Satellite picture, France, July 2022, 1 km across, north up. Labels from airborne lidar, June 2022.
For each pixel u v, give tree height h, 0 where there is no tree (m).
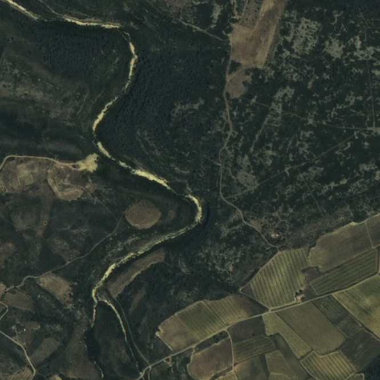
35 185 0
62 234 0
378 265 0
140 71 7
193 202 6
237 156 0
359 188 0
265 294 0
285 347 0
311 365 0
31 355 0
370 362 0
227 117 0
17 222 0
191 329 0
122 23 7
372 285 0
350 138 0
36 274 0
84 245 0
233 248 0
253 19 0
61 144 0
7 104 0
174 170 0
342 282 0
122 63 8
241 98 0
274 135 0
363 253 0
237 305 0
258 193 0
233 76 0
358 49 0
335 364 0
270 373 0
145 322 0
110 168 0
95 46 13
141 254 8
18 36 0
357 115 0
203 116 0
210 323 0
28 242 0
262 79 0
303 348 0
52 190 0
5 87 0
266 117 0
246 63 0
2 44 0
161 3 0
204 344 0
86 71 10
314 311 0
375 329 0
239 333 0
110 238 0
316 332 0
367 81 0
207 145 8
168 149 12
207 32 0
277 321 0
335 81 7
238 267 8
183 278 9
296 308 0
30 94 0
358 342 0
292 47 0
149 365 0
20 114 0
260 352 0
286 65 0
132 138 6
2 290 0
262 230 8
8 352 0
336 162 0
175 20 0
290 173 0
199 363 0
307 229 0
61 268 0
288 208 0
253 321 0
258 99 0
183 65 7
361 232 0
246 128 0
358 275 0
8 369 0
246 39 0
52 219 0
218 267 0
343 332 0
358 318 0
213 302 0
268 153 0
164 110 8
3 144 0
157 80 7
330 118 0
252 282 0
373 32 0
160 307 0
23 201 0
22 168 0
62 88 0
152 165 12
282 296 0
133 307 0
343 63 0
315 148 0
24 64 0
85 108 8
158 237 0
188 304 0
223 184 0
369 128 0
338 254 0
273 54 0
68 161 0
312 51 0
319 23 0
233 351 0
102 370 8
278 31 0
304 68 6
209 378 0
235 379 0
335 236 0
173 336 0
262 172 0
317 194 0
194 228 7
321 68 0
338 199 7
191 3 0
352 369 0
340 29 0
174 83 8
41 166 0
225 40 0
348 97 0
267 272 0
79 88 0
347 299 0
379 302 0
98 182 0
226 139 0
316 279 0
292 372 0
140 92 8
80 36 14
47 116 0
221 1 0
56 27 6
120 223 0
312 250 0
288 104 0
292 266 0
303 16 0
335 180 0
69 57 11
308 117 0
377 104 0
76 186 0
